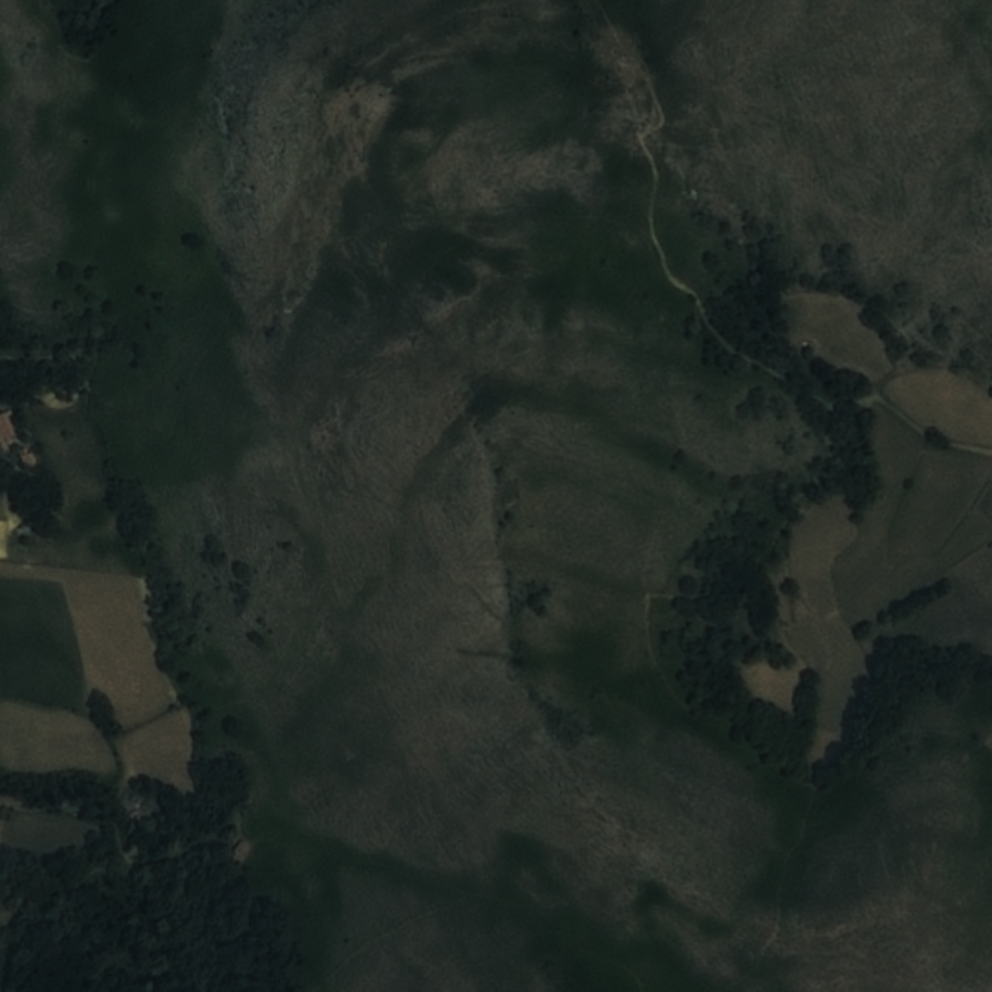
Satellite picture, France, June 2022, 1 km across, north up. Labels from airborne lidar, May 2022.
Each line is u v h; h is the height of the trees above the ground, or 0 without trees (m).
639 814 0
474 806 0
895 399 0
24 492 14
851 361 0
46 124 0
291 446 0
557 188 0
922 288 0
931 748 0
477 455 0
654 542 0
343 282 0
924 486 0
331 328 0
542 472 0
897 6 0
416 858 0
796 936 0
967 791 0
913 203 0
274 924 24
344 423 0
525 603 8
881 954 0
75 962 18
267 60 0
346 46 0
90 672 0
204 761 8
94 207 0
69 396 8
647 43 0
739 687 18
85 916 13
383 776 0
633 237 0
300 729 0
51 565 0
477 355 0
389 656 0
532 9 0
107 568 0
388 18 0
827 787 21
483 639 0
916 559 0
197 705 9
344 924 0
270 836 0
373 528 0
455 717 0
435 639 0
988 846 0
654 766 0
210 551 11
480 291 0
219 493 0
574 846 0
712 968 0
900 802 0
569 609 0
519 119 0
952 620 0
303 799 0
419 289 0
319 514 0
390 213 0
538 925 0
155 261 0
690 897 0
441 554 0
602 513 0
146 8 0
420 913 0
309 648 0
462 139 0
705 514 0
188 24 0
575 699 0
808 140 0
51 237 0
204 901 12
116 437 0
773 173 0
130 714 0
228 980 17
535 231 0
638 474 0
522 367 0
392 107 0
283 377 0
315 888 0
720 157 0
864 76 0
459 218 0
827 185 0
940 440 18
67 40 11
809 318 0
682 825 0
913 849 0
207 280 0
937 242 0
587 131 0
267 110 0
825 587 0
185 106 0
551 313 0
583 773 0
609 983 0
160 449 0
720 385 0
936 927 0
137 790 15
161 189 0
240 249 0
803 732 19
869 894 0
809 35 0
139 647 0
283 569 0
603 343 0
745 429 0
